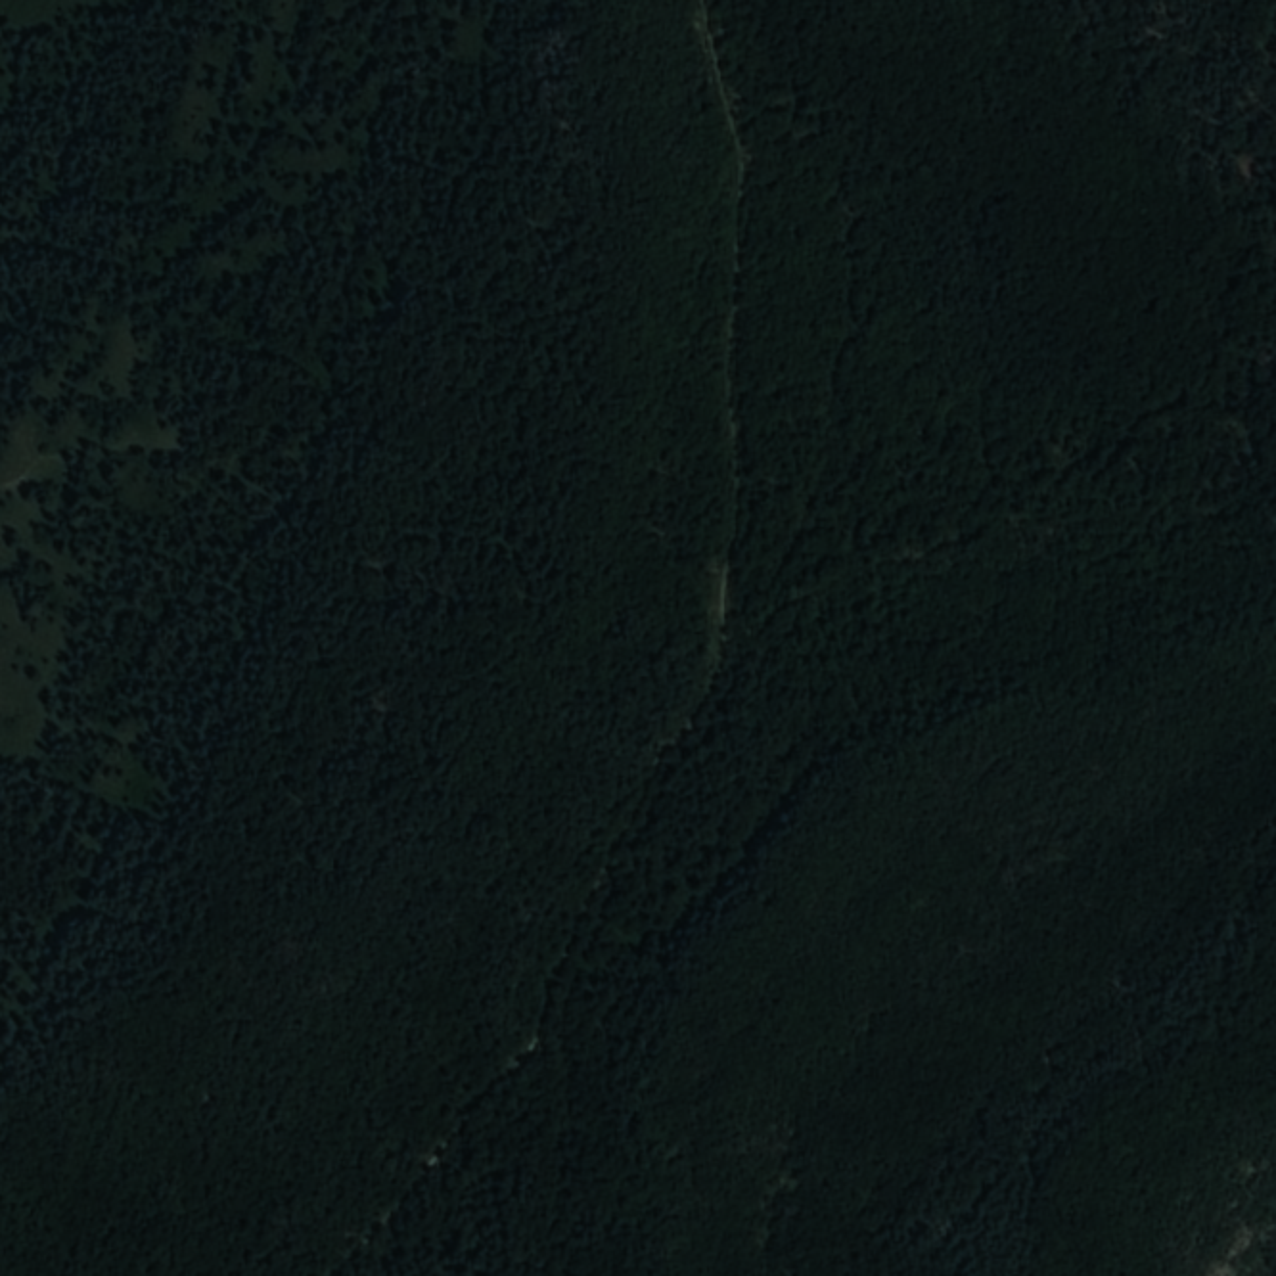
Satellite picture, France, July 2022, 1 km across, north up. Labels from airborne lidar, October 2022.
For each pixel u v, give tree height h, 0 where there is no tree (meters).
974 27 16
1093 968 18
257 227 19
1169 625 22
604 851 17
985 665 17
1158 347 16
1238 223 30
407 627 20
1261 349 27
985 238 19
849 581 9
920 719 25
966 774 19
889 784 17
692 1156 16
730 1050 16
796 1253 22
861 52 14
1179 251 18
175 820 15
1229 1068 21
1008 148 21
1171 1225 19
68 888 19
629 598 19
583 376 24
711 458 18
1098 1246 16
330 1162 18
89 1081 13
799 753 25
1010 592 21
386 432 26
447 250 27
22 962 16
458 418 20
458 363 21
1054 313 21
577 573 15
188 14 6
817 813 23
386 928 25
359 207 25
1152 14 20
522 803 22
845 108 14
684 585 24
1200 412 21
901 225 20
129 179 7
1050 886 16
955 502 24
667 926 16
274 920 18
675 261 14
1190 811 20
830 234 19
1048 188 17
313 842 17
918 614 15
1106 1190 21
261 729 20
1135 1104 22
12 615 0
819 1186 18
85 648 17
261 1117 25
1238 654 11
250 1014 19
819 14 20
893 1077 18
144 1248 34
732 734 29
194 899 19
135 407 12
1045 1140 29
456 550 20
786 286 18
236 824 26
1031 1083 25
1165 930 24
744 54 18
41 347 25
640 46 13
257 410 19
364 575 24
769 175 19
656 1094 20
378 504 17
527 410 23
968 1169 25
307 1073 17
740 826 21
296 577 25
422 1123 20
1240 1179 8
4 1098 18
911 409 20
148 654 21
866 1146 20
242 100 20
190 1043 18
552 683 20
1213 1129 17
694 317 21
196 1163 12
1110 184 20
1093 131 19
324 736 19
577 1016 19
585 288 21
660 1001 27
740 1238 16
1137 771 12
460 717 18
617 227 17
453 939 18
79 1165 15
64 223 24
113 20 24
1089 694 15
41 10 0
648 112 14
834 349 18
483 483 22
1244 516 20
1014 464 12
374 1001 17
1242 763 28
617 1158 24
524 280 22
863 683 18
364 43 7
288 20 0
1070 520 12
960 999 13
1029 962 20
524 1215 27
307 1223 17
